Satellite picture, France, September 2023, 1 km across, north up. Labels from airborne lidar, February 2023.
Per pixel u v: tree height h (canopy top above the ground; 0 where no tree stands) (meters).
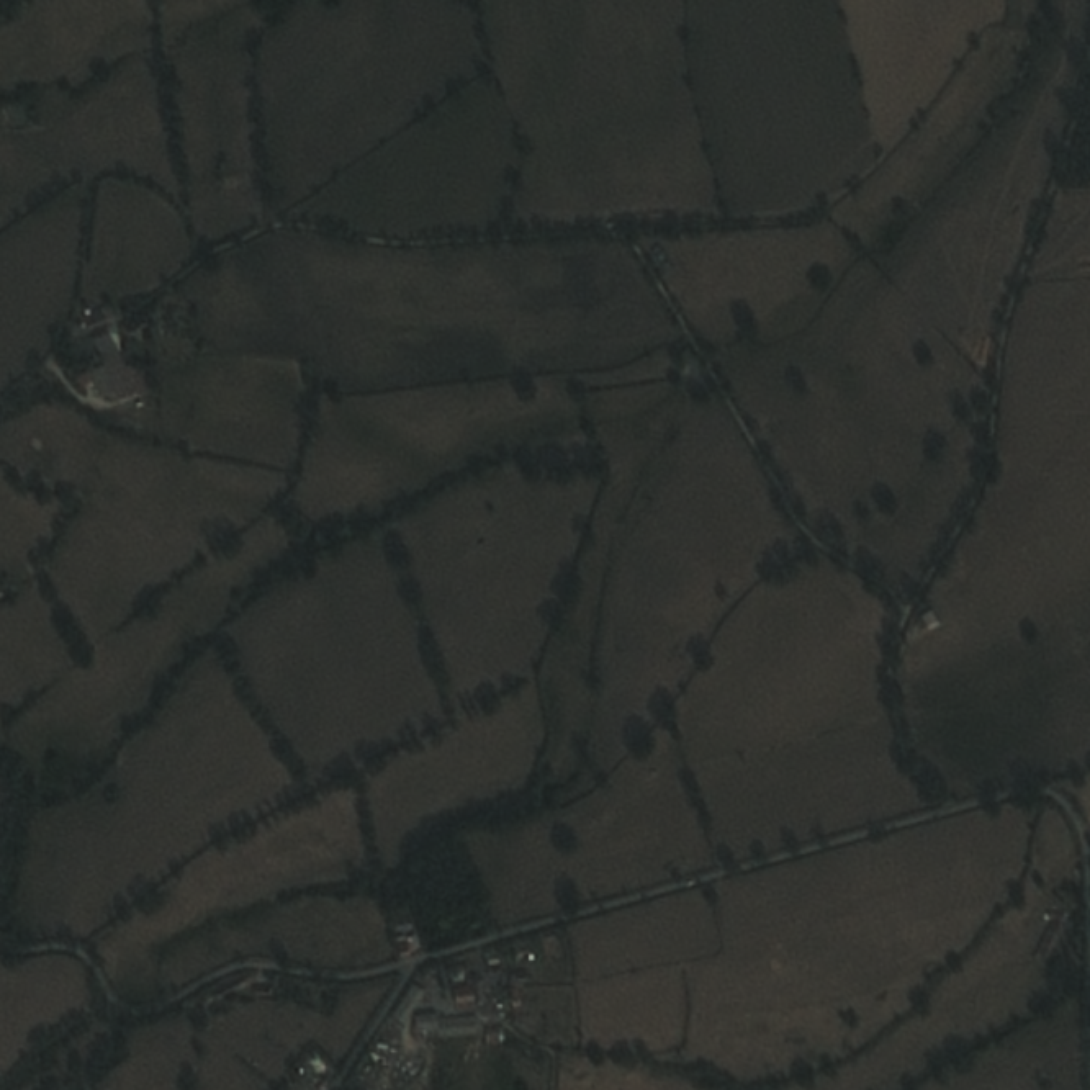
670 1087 0
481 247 13
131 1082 0
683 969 0
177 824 0
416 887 30
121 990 0
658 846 0
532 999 0
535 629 0
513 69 0
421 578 0
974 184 0
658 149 0
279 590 0
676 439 0
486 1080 0
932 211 0
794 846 13
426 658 13
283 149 0
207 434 0
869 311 0
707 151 9
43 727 0
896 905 0
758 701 0
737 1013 0
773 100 0
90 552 0
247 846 0
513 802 17
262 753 0
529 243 8
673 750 0
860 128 0
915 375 0
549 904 0
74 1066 10
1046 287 0
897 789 0
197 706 0
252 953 0
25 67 0
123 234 0
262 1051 0
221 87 0
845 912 0
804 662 0
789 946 0
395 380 0
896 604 19
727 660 0
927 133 0
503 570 0
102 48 0
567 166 0
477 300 0
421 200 0
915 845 0
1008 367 0
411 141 0
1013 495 0
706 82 0
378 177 0
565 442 0
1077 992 19
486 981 0
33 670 0
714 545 0
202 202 0
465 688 0
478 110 0
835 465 0
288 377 0
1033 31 10
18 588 0
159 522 0
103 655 0
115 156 0
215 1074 0
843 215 0
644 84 0
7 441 0
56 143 0
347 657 0
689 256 0
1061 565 0
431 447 0
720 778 0
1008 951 0
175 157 15
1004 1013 0
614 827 0
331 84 0
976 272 0
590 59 0
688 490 0
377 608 0
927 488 0
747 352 0
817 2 0
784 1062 0
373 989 0
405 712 0
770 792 0
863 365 0
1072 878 0
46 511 0
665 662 0
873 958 0
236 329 0
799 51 0
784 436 0
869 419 0
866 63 0
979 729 0
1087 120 12
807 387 11
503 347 0
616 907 0
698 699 0
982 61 0
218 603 0
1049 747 0
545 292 0
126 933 0
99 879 0
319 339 0
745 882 0
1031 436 0
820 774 0
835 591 0
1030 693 0
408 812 0
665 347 0
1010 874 0
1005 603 0
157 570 0
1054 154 19
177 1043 0
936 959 0
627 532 0
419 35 0
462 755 0
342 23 0
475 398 0
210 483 0
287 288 0
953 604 0
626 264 0
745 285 0
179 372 0
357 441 0
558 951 0
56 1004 0
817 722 0
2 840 6
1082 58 18
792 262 0
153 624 0
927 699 0
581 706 0
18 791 11
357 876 20
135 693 0
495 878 0
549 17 0
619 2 0
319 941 0
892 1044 0
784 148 0
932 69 0
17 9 16
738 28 0
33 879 0
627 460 0
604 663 0
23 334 0
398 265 0
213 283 0
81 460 0
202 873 0
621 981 0
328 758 0
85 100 0
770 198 0
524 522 0
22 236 0
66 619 21
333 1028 0
